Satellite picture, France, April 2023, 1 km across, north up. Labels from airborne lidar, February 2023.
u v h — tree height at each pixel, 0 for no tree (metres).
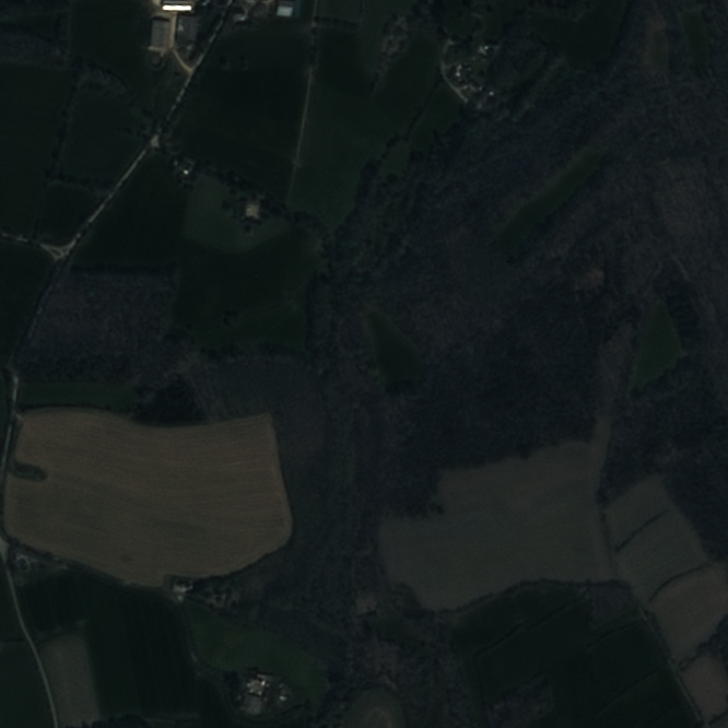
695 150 27
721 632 14
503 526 0
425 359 16
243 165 0
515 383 29
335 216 0
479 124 18
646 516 0
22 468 0
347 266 19
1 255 0
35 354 22
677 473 18
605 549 0
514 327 17
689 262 17
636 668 0
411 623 18
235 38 0
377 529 17
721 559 20
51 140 0
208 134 0
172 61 0
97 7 0
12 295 0
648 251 17
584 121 20
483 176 24
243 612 10
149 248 0
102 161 0
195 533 0
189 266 0
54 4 15
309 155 0
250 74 0
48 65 14
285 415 17
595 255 17
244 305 0
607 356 18
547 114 24
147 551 0
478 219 20
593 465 0
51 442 0
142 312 22
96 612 0
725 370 21
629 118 23
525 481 0
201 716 0
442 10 13
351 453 19
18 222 0
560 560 0
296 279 0
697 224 22
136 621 0
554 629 0
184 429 0
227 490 0
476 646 0
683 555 0
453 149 25
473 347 18
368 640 22
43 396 0
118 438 0
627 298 13
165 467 0
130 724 17
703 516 18
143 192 0
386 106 0
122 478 0
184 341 20
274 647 0
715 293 23
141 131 7
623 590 16
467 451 18
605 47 0
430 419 19
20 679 0
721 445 18
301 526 16
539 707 16
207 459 0
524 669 0
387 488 18
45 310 19
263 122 0
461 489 0
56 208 0
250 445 0
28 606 0
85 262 0
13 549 17
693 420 15
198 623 0
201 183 0
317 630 19
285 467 14
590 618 15
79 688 0
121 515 0
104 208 8
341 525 31
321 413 19
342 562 26
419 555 0
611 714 0
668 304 18
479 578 0
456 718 21
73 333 24
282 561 8
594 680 0
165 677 0
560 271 15
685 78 26
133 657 0
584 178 0
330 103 0
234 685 17
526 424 22
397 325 18
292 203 0
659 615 0
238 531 0
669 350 0
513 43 34
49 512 0
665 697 0
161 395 9
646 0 22
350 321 22
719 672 0
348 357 19
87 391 0
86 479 0
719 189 26
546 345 15
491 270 19
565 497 0
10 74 0
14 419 15
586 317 22
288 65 0
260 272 0
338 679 26
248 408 18
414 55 0
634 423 19
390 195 22
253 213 0
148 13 0
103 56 0
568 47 0
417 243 25
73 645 0
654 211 20
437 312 15
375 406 18
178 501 0
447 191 21
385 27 6
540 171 16
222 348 0
